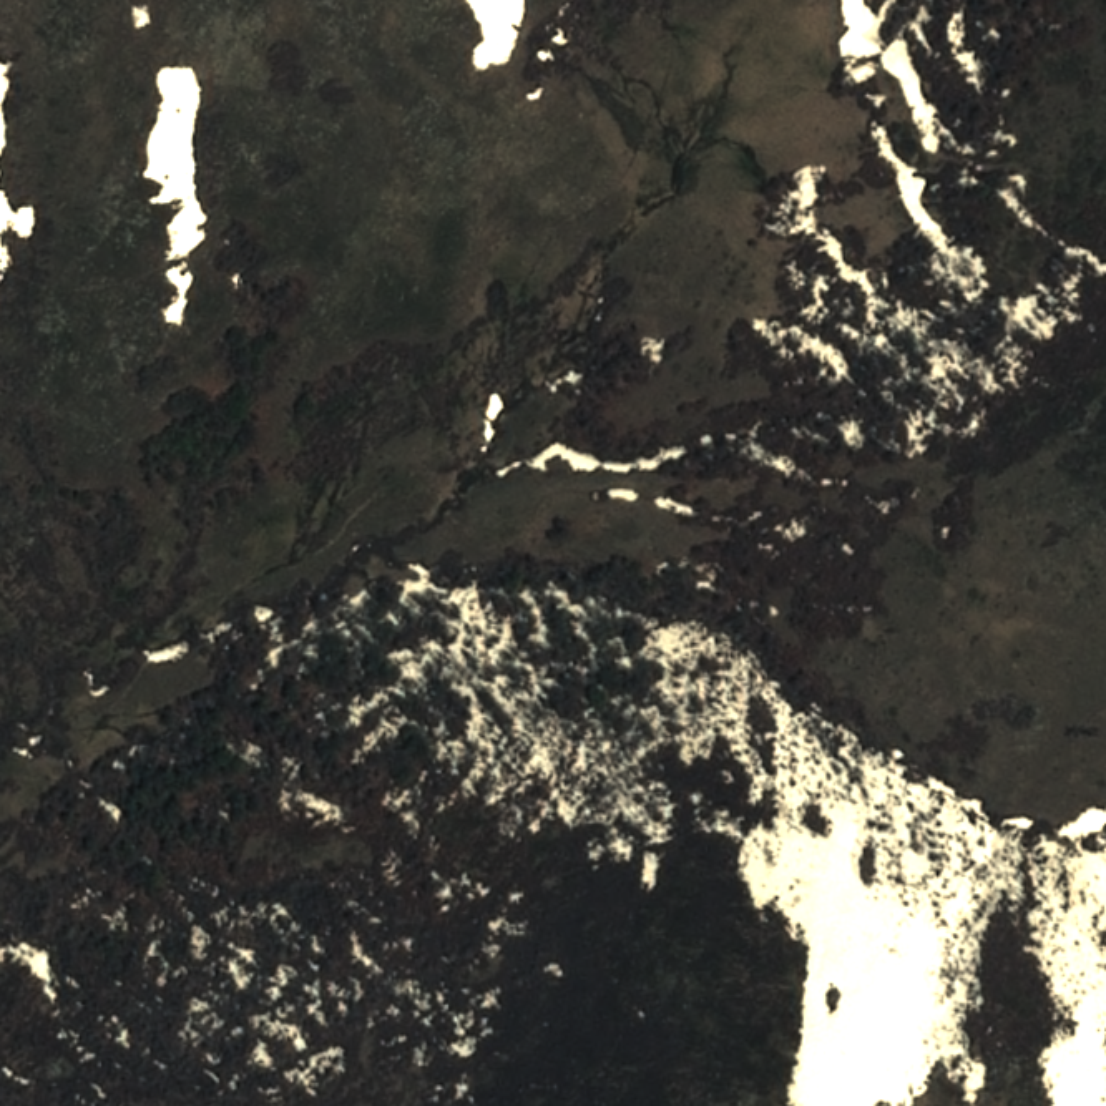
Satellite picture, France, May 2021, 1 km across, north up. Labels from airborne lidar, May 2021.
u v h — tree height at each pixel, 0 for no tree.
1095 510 0
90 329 0
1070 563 0
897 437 9
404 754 14
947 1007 0
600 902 0
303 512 0
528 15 0
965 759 0
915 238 11
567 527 13
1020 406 0
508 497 0
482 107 0
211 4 0
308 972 7
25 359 0
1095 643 0
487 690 14
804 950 0
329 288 0
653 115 0
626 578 16
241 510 0
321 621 10
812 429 9
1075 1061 0
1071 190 0
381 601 13
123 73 0
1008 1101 0
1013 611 0
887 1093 0
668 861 0
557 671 11
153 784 16
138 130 0
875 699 0
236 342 12
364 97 0
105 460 0
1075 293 0
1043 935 0
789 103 0
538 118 0
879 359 11
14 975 0
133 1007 10
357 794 10
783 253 0
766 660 9
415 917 0
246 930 0
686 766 0
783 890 0
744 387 0
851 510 0
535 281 0
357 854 0
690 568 10
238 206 0
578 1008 0
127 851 12
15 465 0
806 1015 0
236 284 0
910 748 0
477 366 0
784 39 0
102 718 0
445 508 0
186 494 8
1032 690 0
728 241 0
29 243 0
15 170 0
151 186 0
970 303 8
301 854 0
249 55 0
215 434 14
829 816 0
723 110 0
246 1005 9
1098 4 0
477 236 0
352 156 0
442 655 9
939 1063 0
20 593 0
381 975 10
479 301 0
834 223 0
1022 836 0
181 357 0
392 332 0
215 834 12
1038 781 0
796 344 9
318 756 14
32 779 0
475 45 0
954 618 0
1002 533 0
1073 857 0
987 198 10
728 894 0
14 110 0
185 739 12
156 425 0
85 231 0
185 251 0
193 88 0
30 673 0
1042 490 0
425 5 0
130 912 10
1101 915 0
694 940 0
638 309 0
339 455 0
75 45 0
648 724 7
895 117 0
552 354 0
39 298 0
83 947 10
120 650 0
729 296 0
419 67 0
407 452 0
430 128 0
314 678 15
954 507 8
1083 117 0
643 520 0
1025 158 0
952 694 0
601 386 11
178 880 8
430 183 0
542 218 0
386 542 0
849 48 0
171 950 12
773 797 0
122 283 0
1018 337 9
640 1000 0
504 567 6
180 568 6
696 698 11
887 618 0
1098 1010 0
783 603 0
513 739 8
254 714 15
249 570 0
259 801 16
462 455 0
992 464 0
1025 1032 0
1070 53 0
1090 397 0
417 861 10
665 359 0
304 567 0
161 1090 7
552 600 10
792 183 8
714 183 0
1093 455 0
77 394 0
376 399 0
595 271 0
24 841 0
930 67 5
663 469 10
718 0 0
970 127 8
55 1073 0
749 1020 0
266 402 0
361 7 0
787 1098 0
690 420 0
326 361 0
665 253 0
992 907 0
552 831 0
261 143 0
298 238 0
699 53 0
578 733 6
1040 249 0
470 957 8
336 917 7
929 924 0
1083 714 0
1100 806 0
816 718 7
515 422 0
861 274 0
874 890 0
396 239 0
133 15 0
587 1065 0
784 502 0
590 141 0
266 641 6
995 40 12
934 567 0
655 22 0
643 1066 0
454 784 9
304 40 0
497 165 0
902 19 9
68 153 0
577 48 0
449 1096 0
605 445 10
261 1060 0
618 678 18
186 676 0
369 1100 0
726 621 10
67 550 0
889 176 0
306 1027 5
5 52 0
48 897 8
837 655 0
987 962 0
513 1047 0
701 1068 0
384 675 14
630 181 0
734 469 8
